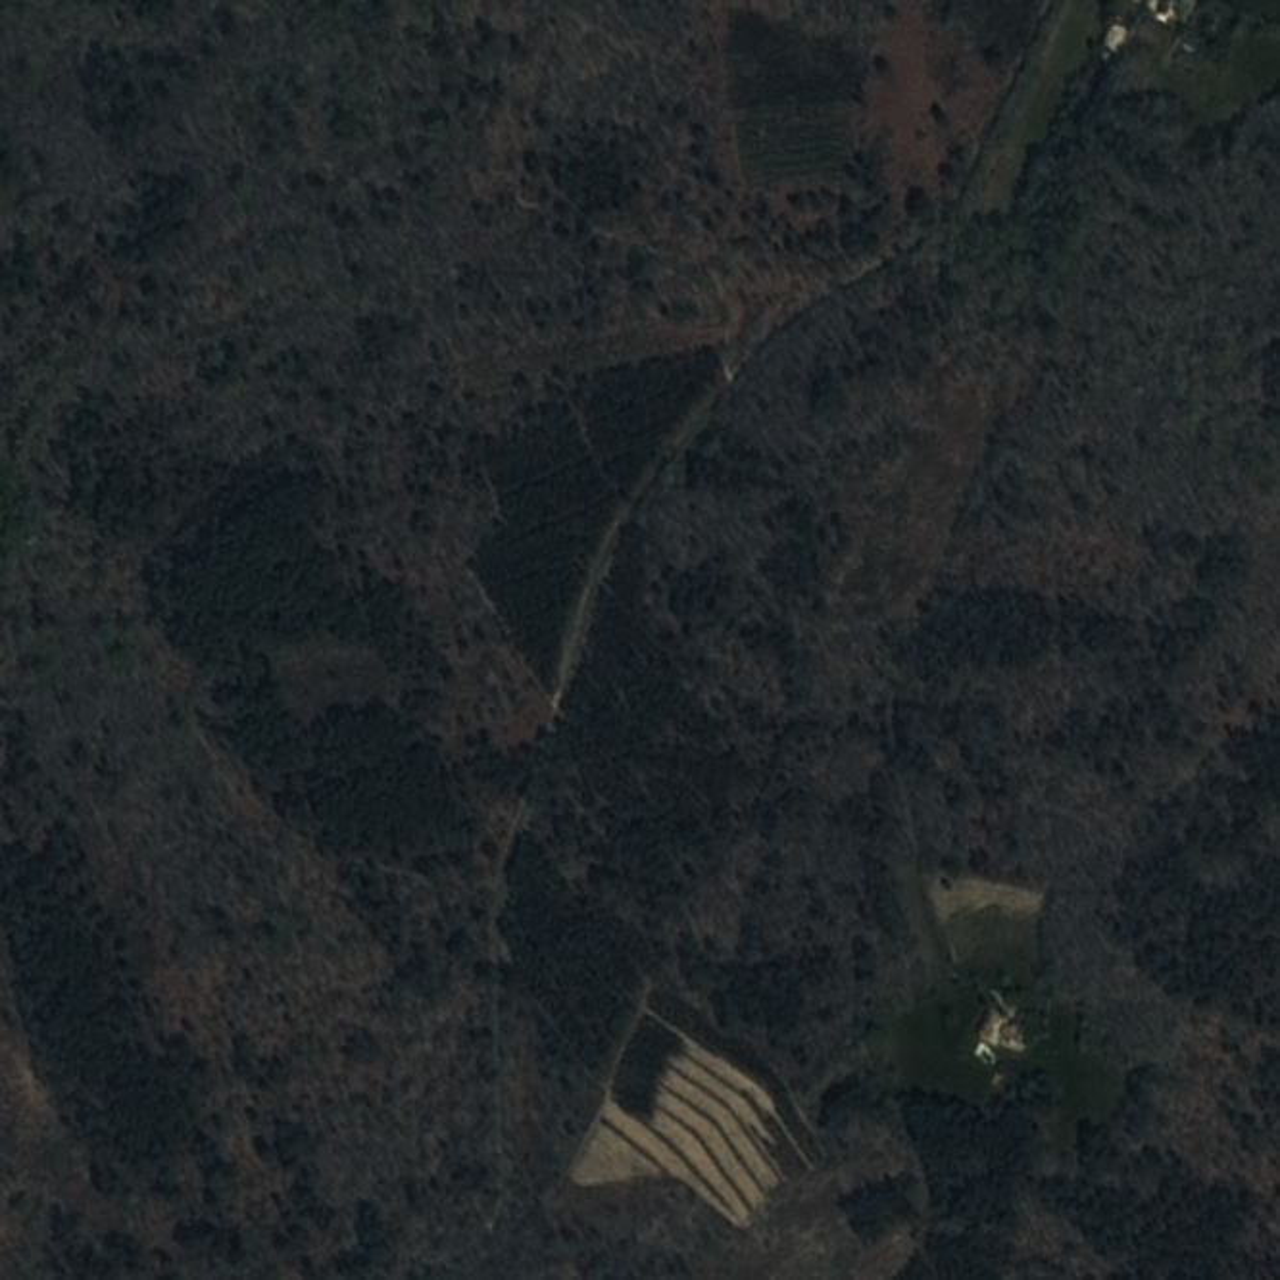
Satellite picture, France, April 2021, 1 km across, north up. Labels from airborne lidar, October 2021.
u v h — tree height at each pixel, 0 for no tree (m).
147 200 15
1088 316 13
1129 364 15
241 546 22
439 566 11
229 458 8
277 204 15
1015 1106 10
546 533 17
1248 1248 11
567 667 0
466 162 9
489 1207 14
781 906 7
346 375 13
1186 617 17
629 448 14
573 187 21
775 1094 7
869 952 13
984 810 7
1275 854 23
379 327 13
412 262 15
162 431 9
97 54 11
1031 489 12
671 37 17
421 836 21
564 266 12
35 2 18
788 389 13
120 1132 21
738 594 7
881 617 15
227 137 15
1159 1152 12
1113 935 20
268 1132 12
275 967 13
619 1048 15
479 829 13
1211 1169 7
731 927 15
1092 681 15
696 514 12
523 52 17
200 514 6
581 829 15
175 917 11
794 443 14
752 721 13
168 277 11
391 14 23
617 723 22
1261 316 8
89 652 13
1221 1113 18
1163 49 0
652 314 13
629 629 16
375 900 17
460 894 12
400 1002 21
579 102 14
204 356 6
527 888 13
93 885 6
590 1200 0
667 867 25
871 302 13
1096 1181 26
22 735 11
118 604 17
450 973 7
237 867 16
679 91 10
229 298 9
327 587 19
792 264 8
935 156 0
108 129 12
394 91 14
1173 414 19
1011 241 26
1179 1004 21
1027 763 12
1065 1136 0
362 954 15
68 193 14
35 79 25
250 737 21
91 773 11
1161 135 15
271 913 15
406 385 12
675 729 20
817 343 19
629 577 14
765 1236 0
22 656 12
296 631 22
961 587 7
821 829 10
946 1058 0
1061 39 0
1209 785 15
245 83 15
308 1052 12
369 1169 14
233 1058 11
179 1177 7
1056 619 12
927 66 0
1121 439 15
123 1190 22
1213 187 15
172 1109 21
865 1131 9
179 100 16
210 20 12
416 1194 18
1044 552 15
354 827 24
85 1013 22
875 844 13
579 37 20
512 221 18
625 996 20
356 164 10
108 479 7
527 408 8
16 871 16
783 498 16
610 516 17
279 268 19
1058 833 16
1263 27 12
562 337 13
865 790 9
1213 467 15
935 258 19
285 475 10
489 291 19
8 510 22
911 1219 19
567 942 19
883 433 10
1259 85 0
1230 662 15
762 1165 0
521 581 14
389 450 6
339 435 14
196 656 27
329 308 21
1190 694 10
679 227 10
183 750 16
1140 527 12
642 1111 8
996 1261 12
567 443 15
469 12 20
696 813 16
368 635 16
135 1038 17
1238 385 14
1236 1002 19
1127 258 17
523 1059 13
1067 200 23
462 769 12
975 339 10
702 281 17
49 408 16
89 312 8
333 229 15
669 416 14
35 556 15
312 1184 18
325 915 14
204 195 16
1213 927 21
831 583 10
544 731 0
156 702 10
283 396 7
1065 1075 0
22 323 20
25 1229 11
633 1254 15
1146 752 22
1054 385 8
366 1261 11
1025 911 0
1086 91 13
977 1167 23
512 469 14
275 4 21
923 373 21
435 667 7
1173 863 15
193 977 14
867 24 15
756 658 19
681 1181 0
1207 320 10
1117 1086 0
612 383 14
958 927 0
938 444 0
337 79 17
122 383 13
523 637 16
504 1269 12
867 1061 6
